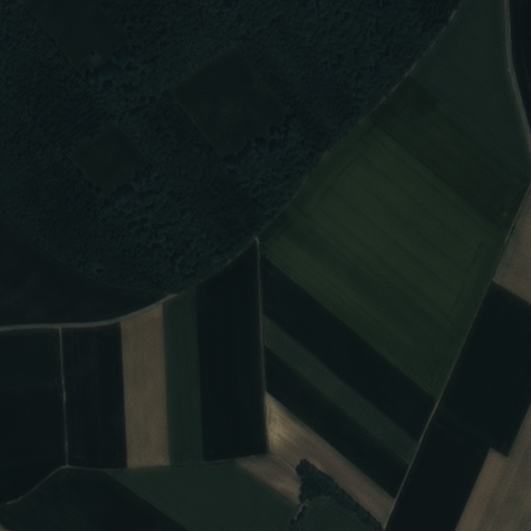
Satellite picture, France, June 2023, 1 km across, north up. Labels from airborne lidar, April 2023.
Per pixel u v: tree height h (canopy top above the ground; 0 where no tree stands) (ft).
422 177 0
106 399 0
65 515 0
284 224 0
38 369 0
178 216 77
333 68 76
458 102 0
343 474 0
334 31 76
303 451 0
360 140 0
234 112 0
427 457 0
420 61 0
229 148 0
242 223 56
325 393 0
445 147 0
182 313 0
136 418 0
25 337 0
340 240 0
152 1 52
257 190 56
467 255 0
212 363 0
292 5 80
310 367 0
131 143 0
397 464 0
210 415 0
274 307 0
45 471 0
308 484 57
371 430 0
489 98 0
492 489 0
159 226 75
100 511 0
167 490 0
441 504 0
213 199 58
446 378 0
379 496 0
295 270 0
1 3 48
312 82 58
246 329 0
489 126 0
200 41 54
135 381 0
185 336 0
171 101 54
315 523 0
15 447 0
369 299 0
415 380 0
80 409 0
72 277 0
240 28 74
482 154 0
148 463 0
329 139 63
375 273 0
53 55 60
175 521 0
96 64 0
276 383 0
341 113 54
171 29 39
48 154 53
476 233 0
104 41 0
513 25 0
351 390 0
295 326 0
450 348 0
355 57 90
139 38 64
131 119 52
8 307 0
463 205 0
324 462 0
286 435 0
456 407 0
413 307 0
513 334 0
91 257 46
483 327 0
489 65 0
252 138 0
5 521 0
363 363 0
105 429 0
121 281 45
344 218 0
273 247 0
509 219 0
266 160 71
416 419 0
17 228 0
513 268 0
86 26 0
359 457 0
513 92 0
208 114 0
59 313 0
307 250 0
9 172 42
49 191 44
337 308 0
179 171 61
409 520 0
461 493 0
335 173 0
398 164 0
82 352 0
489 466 0
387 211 0
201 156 54
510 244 0
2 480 0
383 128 0
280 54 49
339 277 0
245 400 0
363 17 86
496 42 0
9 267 0
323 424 0
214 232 62
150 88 71
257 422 0
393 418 0
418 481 0
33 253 0
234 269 0
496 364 0
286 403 0
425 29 76
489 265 0
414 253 0
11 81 57
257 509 0
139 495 0
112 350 0
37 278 0
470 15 0
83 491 0
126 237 53
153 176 76
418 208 0
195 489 0
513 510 0
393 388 0
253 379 0
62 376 0
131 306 0
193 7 58
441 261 0
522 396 0
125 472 0
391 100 0
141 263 45
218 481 0
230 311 0
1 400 0
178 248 58
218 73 0
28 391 0
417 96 0
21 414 0
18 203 51
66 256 43
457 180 0
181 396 0
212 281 0
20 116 52
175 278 72
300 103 56
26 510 0
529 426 0
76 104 54
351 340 0
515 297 0
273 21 55
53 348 0
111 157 0
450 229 0
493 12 0
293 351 0
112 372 0
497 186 0
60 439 0
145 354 0
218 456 0
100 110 52
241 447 0
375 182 0
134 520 0
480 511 0
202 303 0
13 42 45
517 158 0
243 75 0
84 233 58
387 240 0
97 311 0
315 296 0
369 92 71
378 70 85
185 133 50
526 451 0
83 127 51
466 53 0
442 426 0
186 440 0
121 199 65
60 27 0
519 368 0
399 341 0
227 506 0
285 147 49
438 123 0
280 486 0
